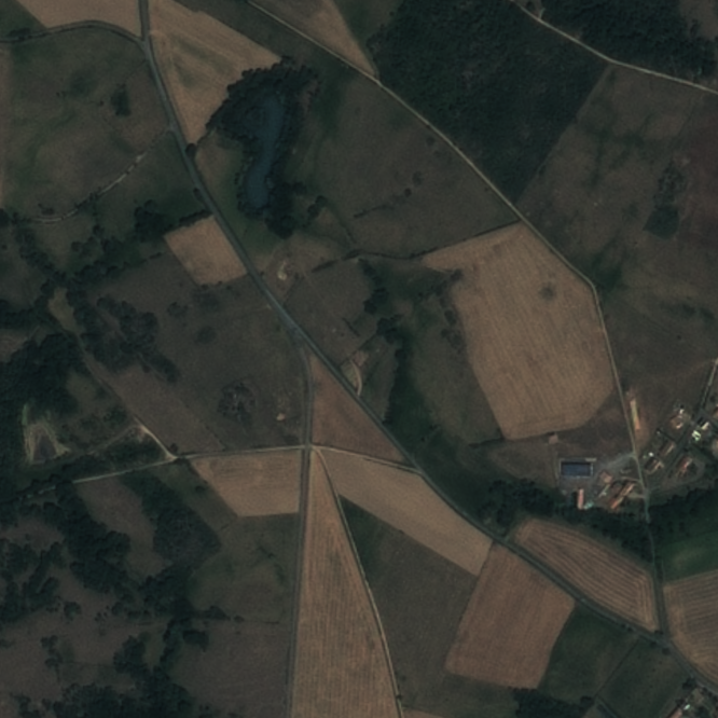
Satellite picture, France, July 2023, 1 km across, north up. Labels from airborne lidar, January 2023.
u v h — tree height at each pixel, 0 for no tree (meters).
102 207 0
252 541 0
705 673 0
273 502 0
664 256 0
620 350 0
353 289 0
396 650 0
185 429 0
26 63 0
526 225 0
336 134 0
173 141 0
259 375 0
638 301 0
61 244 0
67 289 15
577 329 0
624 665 0
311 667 0
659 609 0
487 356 0
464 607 0
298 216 0
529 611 0
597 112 0
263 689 0
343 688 0
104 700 10
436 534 0
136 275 0
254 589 0
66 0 0
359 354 0
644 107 0
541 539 0
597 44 12
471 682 0
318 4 0
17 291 0
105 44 0
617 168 0
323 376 0
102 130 0
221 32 0
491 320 0
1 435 13
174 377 7
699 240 0
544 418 0
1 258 0
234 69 0
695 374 0
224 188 0
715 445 0
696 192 0
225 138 19
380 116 0
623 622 0
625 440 0
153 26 0
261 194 0
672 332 0
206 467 0
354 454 0
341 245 0
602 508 5
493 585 0
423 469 0
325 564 0
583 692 0
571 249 0
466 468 0
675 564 0
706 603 0
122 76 0
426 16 16
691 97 0
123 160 0
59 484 11
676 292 0
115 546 12
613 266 0
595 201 0
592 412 0
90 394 0
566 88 8
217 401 0
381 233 0
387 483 0
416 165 0
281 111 0
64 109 0
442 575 0
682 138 0
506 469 0
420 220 0
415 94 0
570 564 0
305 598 0
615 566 0
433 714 0
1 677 0
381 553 0
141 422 0
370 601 0
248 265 0
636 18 12
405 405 0
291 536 0
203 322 0
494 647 0
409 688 0
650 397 0
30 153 0
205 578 0
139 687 8
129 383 0
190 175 0
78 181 0
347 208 0
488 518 20
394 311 0
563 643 0
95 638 0
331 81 0
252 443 0
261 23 0
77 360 9
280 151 5
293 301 0
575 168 0
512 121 5
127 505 0
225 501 0
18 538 0
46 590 11
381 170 0
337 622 0
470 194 0
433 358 0
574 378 0
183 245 0
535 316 0
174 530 9
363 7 0
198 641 19
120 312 0
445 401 0
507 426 0
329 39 0
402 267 0
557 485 0
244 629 0
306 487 0
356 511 0
